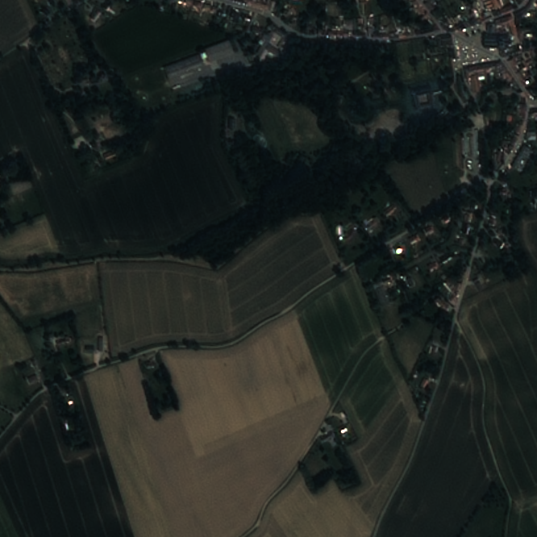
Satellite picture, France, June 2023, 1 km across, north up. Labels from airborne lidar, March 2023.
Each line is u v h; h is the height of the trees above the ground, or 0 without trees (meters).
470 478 0
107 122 0
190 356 0
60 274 0
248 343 0
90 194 0
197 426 0
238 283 0
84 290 0
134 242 0
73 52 0
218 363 0
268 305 0
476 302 0
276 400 0
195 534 0
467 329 0
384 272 12
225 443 0
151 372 0
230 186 0
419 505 0
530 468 0
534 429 0
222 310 0
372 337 0
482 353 0
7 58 0
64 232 0
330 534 0
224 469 0
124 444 0
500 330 0
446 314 9
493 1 0
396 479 0
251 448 0
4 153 0
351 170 29
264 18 0
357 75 0
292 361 0
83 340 0
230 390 0
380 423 0
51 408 0
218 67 0
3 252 0
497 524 0
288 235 0
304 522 0
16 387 0
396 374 0
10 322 0
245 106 9
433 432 0
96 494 0
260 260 0
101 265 0
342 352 0
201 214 0
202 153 0
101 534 0
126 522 0
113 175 0
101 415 0
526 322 0
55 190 0
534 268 0
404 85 0
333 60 29
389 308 0
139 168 0
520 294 0
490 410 0
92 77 15
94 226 0
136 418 0
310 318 0
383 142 30
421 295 7
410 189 0
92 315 0
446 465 0
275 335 0
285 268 0
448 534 0
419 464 0
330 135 13
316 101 28
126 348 0
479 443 0
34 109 0
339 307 0
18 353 0
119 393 0
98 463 0
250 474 0
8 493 0
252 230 18
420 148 28
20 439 0
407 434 0
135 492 0
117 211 0
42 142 0
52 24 0
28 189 0
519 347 0
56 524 0
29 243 0
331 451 0
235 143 15
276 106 0
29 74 0
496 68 0
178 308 0
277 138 0
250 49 17
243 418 0
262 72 26
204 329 0
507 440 0
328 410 0
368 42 23
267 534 0
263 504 0
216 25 7
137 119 29
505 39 0
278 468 0
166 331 0
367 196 12
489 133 26
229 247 21
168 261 0
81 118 18
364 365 0
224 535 0
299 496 0
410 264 0
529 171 11
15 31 0
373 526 0
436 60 0
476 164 0
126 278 0
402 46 0
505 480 0
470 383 0
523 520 0
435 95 0
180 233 0
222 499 0
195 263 0
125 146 18
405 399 0
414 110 0
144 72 0
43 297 0
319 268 0
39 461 0
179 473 0
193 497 0
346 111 0
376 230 0
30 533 0
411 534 0
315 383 0
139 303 0
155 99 0
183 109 0
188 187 0
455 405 0
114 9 0
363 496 0
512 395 0
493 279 0
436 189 0
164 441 0
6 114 0
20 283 0
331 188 28
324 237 0
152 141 0
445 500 0
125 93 13
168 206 0
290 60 28
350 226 0
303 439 0
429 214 17
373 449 0
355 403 0
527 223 0
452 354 0
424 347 0
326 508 0
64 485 0
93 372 0
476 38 0
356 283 0
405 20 9
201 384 0
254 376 0
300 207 20
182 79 0
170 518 0
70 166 0
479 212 13
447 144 0
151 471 0
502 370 0
